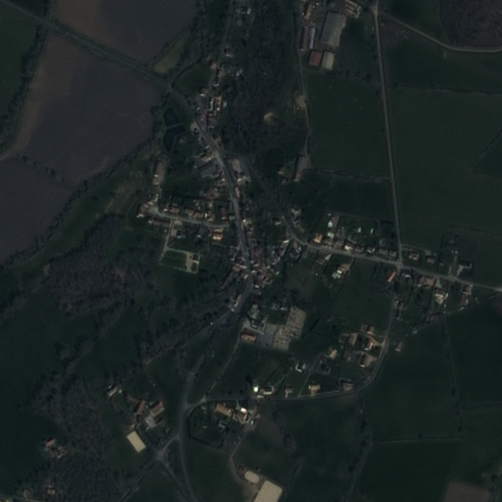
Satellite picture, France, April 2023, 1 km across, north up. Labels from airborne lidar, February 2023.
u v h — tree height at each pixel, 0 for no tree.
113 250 0
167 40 0
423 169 0
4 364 0
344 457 0
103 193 0
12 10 0
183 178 0
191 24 0
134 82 0
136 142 0
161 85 0
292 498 0
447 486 0
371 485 0
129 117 0
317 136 0
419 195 0
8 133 18
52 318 0
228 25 12
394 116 0
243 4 8
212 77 0
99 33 0
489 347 0
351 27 0
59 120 0
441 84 0
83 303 7
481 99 0
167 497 0
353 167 0
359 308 0
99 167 0
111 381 16
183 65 14
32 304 0
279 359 0
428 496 0
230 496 0
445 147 0
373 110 0
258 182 0
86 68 0
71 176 0
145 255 14
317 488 0
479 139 0
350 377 0
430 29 0
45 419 0
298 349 0
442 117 0
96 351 0
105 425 0
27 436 0
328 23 0
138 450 0
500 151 0
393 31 0
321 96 0
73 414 19
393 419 0
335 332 9
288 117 0
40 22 0
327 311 0
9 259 0
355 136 0
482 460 0
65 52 0
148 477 0
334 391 0
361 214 0
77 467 8
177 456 0
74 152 0
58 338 0
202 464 0
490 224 0
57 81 0
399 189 0
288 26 0
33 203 0
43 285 8
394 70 0
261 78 14
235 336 0
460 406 10
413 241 0
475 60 0
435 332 0
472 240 0
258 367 0
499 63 0
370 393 0
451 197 0
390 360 0
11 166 0
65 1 0
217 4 0
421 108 0
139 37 0
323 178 0
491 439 0
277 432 0
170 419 0
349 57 0
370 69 0
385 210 0
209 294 21
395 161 0
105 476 16
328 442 0
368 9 12
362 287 0
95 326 0
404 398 0
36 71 25
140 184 0
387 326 0
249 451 0
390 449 0
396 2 0
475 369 0
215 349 8
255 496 0
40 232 0
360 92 0
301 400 0
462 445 0
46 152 0
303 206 0
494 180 0
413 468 0
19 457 0
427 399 0
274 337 0
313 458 0
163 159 0
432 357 0
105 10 0
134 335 0
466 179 0
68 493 13
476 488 0
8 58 0
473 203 0
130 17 0
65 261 18
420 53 0
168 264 0
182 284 0
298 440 0
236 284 8
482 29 13
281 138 14
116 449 0
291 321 0
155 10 0
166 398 0
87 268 25
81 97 0
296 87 0
